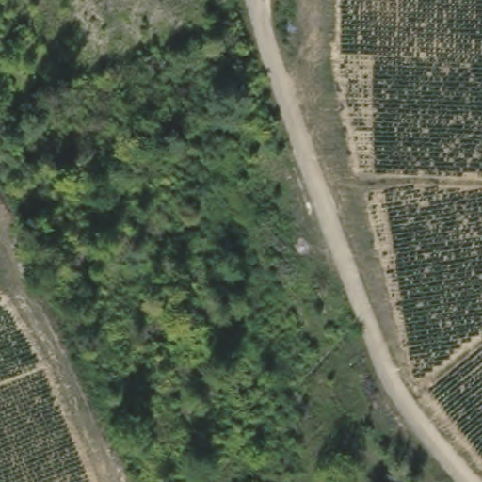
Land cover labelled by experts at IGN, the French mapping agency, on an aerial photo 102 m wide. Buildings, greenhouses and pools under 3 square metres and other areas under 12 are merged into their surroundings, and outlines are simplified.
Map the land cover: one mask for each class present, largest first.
<instances>
[{"label":"brushwood","instance_id":"1","mask_svg":"<svg viewBox=\"0 0 482 482\"><path fill-rule=\"evenodd\" d=\"M19 0H0V94L6 88L15 92L13 102L8 107V113L13 117L11 120H4L8 137L4 143H0V201L6 205L11 215L19 217L23 230L32 233L40 247H53L62 256L66 267H62L58 275L70 281L68 286L72 297H34L43 307V311L49 314L53 328L60 335L62 345L66 346L73 371L77 373L83 390L87 392L90 410L96 416V424L104 429V439L109 442V448L113 452H119L117 458L122 469L126 471L128 482H179L175 459L181 458L185 452L190 458L207 463L218 461L224 446L215 444L213 437L218 433H230L228 426H222L224 409L215 407L209 386L203 382L196 365L209 361L213 369H233L237 361L243 358L245 345L252 343L260 352L262 367L267 373H279L282 378L290 380L297 377L305 378L307 371L318 361V356L313 350L318 348V339L311 333L297 331L299 326H303V322L297 316L296 307H292L286 301L284 284L279 281V277L305 269L307 262L296 249L299 237L290 230V222L294 220L292 213L277 205L282 192L281 183L271 179L269 171L264 166L247 164V158L258 153V149L267 151L269 147H275L277 151H284V147L290 143L281 117V109L271 92L269 70L260 58L258 43L252 34L245 0H192L194 4H198V8H192L190 17L181 28L171 30L166 43L158 40V36L154 34L151 40L136 43L126 53H105L94 64H83L79 60V55L81 49L87 45L88 34L81 28L79 21L62 24L58 34L51 40L40 32V28L34 26L30 15H17L15 19H6L4 11L17 8ZM130 414L139 416L141 420H147L153 414L158 433L156 442L151 441L149 435L130 437L115 431L113 426L119 424L120 418H128ZM297 0H271V21L279 45H284L288 41V24L296 21ZM252 441L262 454L252 456L249 450L241 461L224 463L220 467V476L211 482H313L314 474L320 471L316 467V456L307 454L299 442L290 439L286 431H265L264 426L258 424Z\"/></svg>","mask_w":482,"mask_h":482},{"label":"herbaceous vegetation","instance_id":"2","mask_svg":"<svg viewBox=\"0 0 482 482\"><path fill-rule=\"evenodd\" d=\"M192 8H198V4H194L192 0H19L17 8L4 11L6 19H15L17 15H30L34 26L40 28V32L51 40L58 34L62 24L79 21L81 28L88 34L87 45L81 49L79 55V60L83 64H94L105 53H126L136 43L151 40L154 34L158 36V40L166 43L171 30L181 28L190 17ZM341 0H297L296 21L288 24V41L284 45H279L284 68L296 83L299 111L305 128L313 139L318 166L322 171L324 183L335 201L339 224L345 233L348 249L354 256L363 292L371 305V311L375 314L390 360L397 367L399 378L410 397L416 401L418 409L426 414L427 420L435 426L442 439L452 446V450L459 458L463 459L467 467L482 480V456L461 433L458 424L446 414V410L442 409L441 403L431 395V386L437 384L439 378L448 375L450 367L458 363L463 354L473 352L476 346L482 343V329L467 343H461L446 360L435 365L424 377L412 375L414 361L410 358L405 318L399 307L401 292L397 281L388 273V267H395V250L388 213L384 207V190L394 186H414L412 194H407L405 190H394V194L388 198H392L394 203L418 207L429 205L424 192L426 188H435V201L448 196L450 190L482 192V173H403L395 169L377 173L373 149L375 62L371 55L341 51ZM247 164L264 166L269 171L271 179L281 183L282 192L277 205L292 213L294 220L290 222V230L299 237L296 249L307 262L305 269L279 277V281L284 284L286 301L292 307H296L297 316L303 322V326H299L297 331L311 333L318 339V348L313 350L318 356V361L307 371L305 378L297 377L290 380V388L294 390L296 401H301L303 395H309V407L305 414H299V422L294 427L296 431L303 433V442H299L307 454L316 456V467L320 471L331 467L335 454H346L350 456L352 463L360 467L361 473L369 476V482H454V478L442 469L441 463L433 456H429L424 444L414 435L405 414L397 409L392 395L382 388L378 380L371 354L365 345L363 324L350 305L339 271L333 264L331 250L316 217V201L313 200L305 177L294 160L290 143L284 147V151H277L275 147H269L267 151L258 149V153L247 158ZM23 230L19 217L11 215L6 205L0 201V307L11 314L15 326L23 333L26 343L30 346V352L36 356V367L47 378L51 395L55 399V407L68 427L77 456L87 473L88 482H128L126 471L122 469L117 458L119 452H113L109 448V442L104 439V429L96 424V416L90 410L87 392L83 390L77 373L73 371L66 346L62 345L60 335L53 328L49 314L43 311V307L34 297L26 294L24 282V265L30 260L26 258L23 250H19L21 239L17 237Z\"/></svg>","mask_w":482,"mask_h":482},{"label":"vineyard","instance_id":"3","mask_svg":"<svg viewBox=\"0 0 482 482\"><path fill-rule=\"evenodd\" d=\"M341 51L371 55L375 62L373 149L377 173L395 169L403 173H482V0H341ZM394 190H405L407 194H412L414 186H394L384 190V207L388 213L395 250V267H388V273L397 281L401 292L399 307L405 318L410 358L414 361L412 375L424 377L435 365L446 360L461 343H467L482 329V192L450 190L448 196L435 201V188H426L424 192L429 205L418 207L394 203L392 198H388L394 194ZM0 482H88L87 473L77 456L68 427L55 407V399L51 395L47 378L36 367V356L30 352V346L26 343L23 333L15 326L11 314L0 307ZM431 395L441 403L442 409L446 410V414L458 424L461 433L482 456V343L476 346L473 352L463 354L458 363L450 367L448 375L439 378L437 384L431 386Z\"/></svg>","mask_w":482,"mask_h":482},{"label":"deciduous trees","instance_id":"4","mask_svg":"<svg viewBox=\"0 0 482 482\"><path fill-rule=\"evenodd\" d=\"M15 92L6 88L0 94V143H4L8 137L4 120H11L13 117L8 113V107L13 102ZM21 239L19 250H23L26 258L30 260L24 265V282L26 294L34 297H72L68 286L70 281L58 275L62 267H66L62 256L53 247H40L32 233L23 230L17 237ZM203 382L209 386L215 407L224 409L222 426H228L230 433H218L213 437L215 444L224 446L218 461L207 463L190 458L185 452L181 458L175 459L179 482H211L220 476V467L224 463L241 461L249 450L252 456L262 454L252 441L258 424L264 426L265 431H286L290 439L299 442H303V433L296 431L294 427L299 422V414H305L309 407V395H303L301 401H296L294 390L290 388V380L282 378L279 373H267L262 367L260 352L252 343L245 345L243 358L237 361L233 369H213L209 361L196 365ZM115 431L130 437L149 435L151 441L156 442L158 433L153 414L147 420H141L139 416L130 414L128 418H120L119 424L113 426ZM313 482H369V476L361 473L360 467L352 463L350 456L346 454H335L331 467L320 471L314 474Z\"/></svg>","mask_w":482,"mask_h":482},{"label":"pervious surface","instance_id":"5","mask_svg":"<svg viewBox=\"0 0 482 482\"><path fill-rule=\"evenodd\" d=\"M252 34L258 43L260 58L269 70L271 92L281 109V117L290 143L294 160L305 177L313 200L316 201V217L331 250L333 264L339 271L350 305L363 324L365 345L371 354L378 380L382 388L392 395L397 409L405 414L414 435L424 444L429 456H433L441 463L442 469L454 478V482H482V480L467 467L463 459L459 458L452 450V446L442 439L435 426L427 420L426 414L418 409L416 401L410 397L399 378L397 367L390 360L375 314L371 311V305L363 292L354 256L348 249L345 233L339 224L335 201L324 183L322 171L318 166L313 139L305 128L299 111L296 83L284 68L279 45L271 21V0H245Z\"/></svg>","mask_w":482,"mask_h":482}]
</instances>
